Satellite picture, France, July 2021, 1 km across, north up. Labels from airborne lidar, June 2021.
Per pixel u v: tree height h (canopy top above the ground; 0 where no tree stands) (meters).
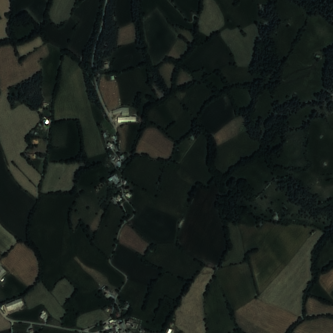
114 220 0
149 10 0
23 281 0
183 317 0
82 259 0
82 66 10
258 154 14
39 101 13
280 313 0
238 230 0
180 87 15
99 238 0
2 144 0
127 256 0
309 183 0
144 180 0
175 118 0
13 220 0
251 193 11
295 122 0
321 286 0
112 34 15
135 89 0
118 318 9
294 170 9
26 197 0
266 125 20
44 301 0
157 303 0
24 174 0
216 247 0
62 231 0
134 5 15
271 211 19
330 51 24
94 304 0
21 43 14
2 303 10
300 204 10
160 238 0
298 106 19
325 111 0
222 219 17
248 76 0
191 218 0
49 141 7
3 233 0
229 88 15
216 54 0
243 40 0
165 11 0
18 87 12
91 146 0
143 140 0
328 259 0
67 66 0
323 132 0
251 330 0
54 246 0
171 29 0
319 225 0
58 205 0
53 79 0
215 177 17
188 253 0
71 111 0
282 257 0
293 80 0
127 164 13
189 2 0
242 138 0
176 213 0
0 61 0
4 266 0
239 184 19
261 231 0
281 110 18
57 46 0
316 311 0
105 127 0
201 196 0
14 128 0
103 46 12
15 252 0
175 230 0
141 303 0
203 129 17
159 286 0
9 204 0
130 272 0
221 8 0
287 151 0
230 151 0
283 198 0
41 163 0
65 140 0
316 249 14
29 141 11
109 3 7
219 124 0
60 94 0
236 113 14
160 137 0
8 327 0
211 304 0
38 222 0
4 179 0
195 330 0
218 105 0
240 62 0
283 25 0
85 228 12
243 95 0
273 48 10
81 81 0
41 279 10
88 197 0
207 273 0
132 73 0
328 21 9
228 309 13
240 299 0
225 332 0
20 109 0
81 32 0
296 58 0
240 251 0
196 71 9
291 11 0
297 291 0
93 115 0
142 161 0
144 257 8
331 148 0
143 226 0
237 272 0
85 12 0
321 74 0
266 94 0
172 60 14
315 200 8
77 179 15
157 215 0
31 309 0
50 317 6
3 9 0
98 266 0
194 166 0
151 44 0
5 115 0
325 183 0
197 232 0
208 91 0
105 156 0
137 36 13
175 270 0
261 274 0
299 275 0
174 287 0
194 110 0
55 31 0
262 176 0
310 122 13
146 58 11
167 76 0
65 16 0
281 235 0
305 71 0
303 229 0
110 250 0
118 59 0
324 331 0
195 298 0
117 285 0
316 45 0
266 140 22
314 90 0
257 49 19
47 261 0
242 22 0
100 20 10
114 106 0
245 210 18
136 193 0
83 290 0
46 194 8
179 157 0
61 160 7
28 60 0
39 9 0
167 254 0
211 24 0
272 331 0
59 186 0
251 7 0
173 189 0
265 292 0
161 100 10
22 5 0
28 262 0
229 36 0
